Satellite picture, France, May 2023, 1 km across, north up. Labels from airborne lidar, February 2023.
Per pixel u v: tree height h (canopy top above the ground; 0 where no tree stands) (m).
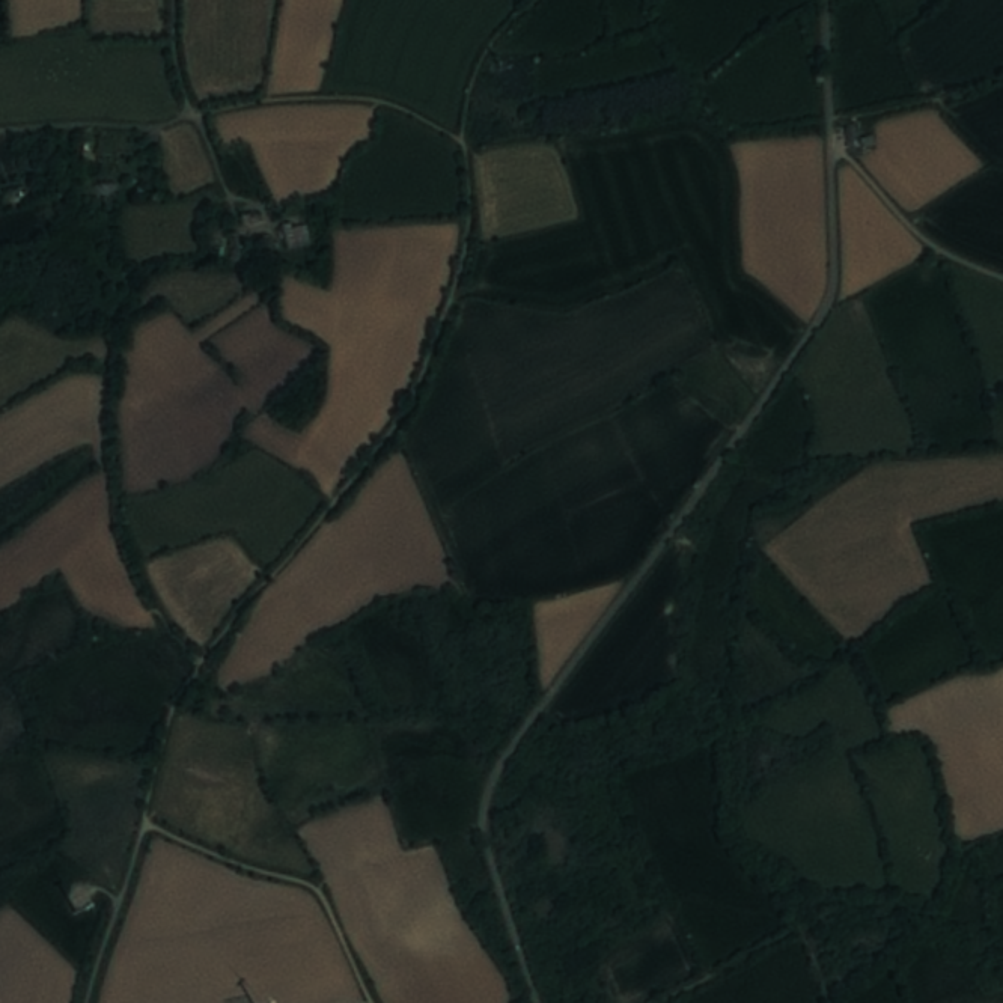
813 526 0
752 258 0
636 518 0
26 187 8
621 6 0
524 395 0
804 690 11
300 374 10
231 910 0
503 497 0
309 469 0
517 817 7
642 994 0
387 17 0
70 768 0
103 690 0
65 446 0
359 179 0
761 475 0
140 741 0
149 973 0
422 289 0
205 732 0
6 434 0
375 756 0
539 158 0
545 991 8
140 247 0
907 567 0
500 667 10
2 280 9
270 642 0
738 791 7
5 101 0
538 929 8
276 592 0
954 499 0
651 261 0
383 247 0
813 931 10
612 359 0
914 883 0
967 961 7
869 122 0
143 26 0
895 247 0
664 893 7
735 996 0
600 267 0
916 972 0
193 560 0
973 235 0
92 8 0
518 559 0
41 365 0
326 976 0
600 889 12
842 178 0
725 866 0
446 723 13
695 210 0
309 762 0
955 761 0
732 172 0
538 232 0
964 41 0
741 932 0
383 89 0
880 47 0
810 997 0
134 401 0
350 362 0
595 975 7
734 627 11
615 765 7
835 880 0
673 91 16
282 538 0
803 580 0
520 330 0
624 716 16
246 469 0
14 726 0
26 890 0
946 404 0
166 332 0
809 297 0
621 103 15
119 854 0
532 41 0
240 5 0
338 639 8
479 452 0
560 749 7
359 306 0
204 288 0
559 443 0
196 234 16
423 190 0
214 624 0
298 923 0
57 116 0
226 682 0
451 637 6
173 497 0
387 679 0
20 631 0
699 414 0
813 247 0
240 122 0
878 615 0
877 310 0
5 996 0
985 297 0
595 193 0
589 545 0
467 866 0
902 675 0
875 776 0
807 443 8
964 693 0
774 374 0
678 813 0
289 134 0
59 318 6
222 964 0
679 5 0
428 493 0
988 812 0
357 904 0
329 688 0
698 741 12
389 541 0
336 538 0
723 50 0
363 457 13
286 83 0
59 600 0
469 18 0
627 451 0
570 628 0
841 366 0
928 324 0
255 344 0
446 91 0
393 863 0
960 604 11
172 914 0
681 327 0
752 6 0
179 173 0
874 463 8
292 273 13
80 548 0
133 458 0
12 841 0
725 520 0
